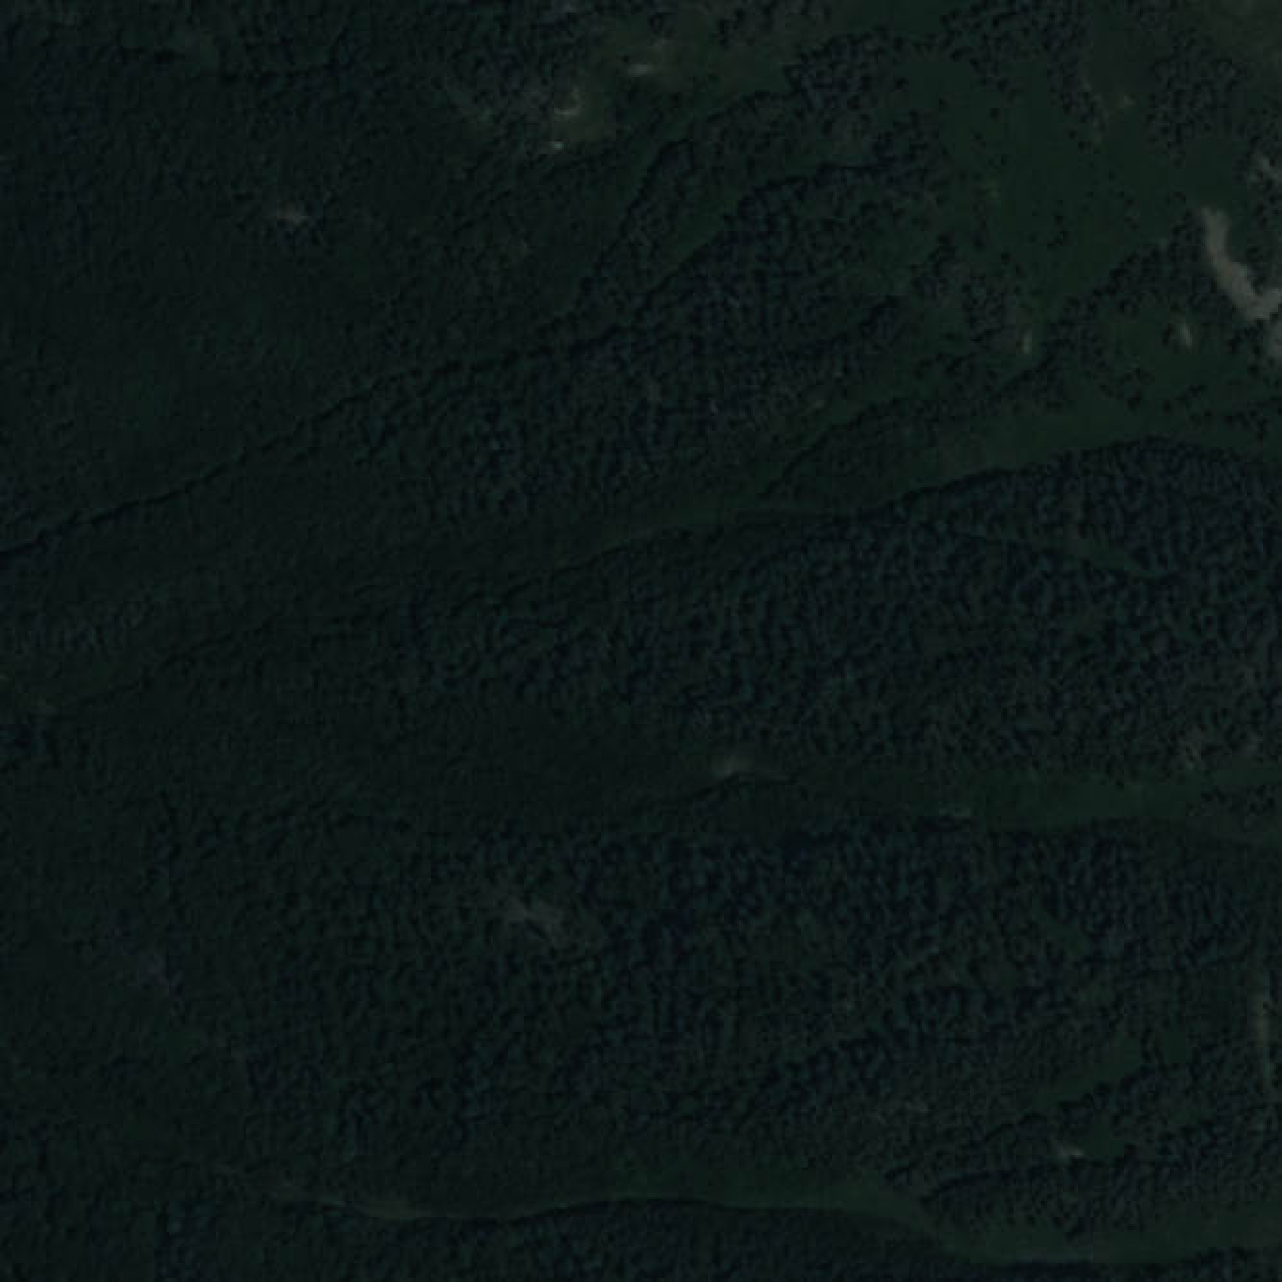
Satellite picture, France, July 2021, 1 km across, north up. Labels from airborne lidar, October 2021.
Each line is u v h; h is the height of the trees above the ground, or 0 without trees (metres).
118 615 21
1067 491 23
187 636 22
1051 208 0
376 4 19
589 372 23
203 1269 13
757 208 24
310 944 6
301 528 25
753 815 9
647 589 14
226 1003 20
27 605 32
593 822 11
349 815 8
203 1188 13
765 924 20
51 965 26
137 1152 6
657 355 27
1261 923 11
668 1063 22
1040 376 9
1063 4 9
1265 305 0
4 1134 21
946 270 14
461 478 26
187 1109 28
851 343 26
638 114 8
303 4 17
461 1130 13
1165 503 19
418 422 18
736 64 0
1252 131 8
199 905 21
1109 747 16
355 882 22
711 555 14
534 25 9
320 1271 24
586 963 22
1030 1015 24
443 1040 11
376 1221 6
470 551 13
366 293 23
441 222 10
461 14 12
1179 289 10
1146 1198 17
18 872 28
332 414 23
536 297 10
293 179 18
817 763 13
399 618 13
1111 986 10
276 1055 15
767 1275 21
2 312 21
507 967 6
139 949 9
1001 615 11
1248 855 7
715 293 36
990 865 31
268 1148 24
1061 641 26
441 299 21
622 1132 22
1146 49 0
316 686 10
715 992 13
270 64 14
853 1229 8
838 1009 29
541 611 30
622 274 28
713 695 17
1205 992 16
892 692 16
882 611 18
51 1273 32
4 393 22
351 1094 9
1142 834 8
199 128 17
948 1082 15
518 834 22
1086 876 20
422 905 21
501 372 14
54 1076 13
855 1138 21
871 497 6
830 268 18
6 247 17
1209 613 11
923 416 10
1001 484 22
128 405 19
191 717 6
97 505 25
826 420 6
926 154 19
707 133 7
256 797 9
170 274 21
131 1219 19
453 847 25
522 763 11
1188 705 16
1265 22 0
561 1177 16
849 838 9
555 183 20
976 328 13
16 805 25
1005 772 6
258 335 13
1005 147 0
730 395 8
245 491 25
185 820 26
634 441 13
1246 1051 12
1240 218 0
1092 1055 22
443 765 7
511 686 22
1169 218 0
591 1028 8
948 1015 27
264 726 6
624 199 6
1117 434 0
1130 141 0
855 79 13
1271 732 11
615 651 11
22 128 25
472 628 27
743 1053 10
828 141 12
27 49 16
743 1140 16
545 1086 11
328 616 6
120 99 18
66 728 8
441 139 17
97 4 15
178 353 17
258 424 22
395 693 7
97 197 20
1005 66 10
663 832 7
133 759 6
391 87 29
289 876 20
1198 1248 0
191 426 22
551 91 11
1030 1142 18
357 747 12
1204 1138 16
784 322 27
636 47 0
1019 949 16
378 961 7
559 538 11
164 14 13
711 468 11
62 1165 26
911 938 16
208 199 25
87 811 26
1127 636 27
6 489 28
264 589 20
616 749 9
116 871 23
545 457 16
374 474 23
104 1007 26
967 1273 9
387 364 30
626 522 6
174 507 30
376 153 20
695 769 6
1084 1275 10
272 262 24
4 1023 25
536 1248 17
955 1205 25
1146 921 20
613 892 22
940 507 21
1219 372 0
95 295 21
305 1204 7
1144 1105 14
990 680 7
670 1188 8
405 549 19
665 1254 28
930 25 0
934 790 8
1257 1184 15
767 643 9
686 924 11
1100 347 15
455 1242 13
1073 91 10
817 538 13
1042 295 11
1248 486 16
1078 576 22
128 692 8
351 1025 24
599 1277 18
